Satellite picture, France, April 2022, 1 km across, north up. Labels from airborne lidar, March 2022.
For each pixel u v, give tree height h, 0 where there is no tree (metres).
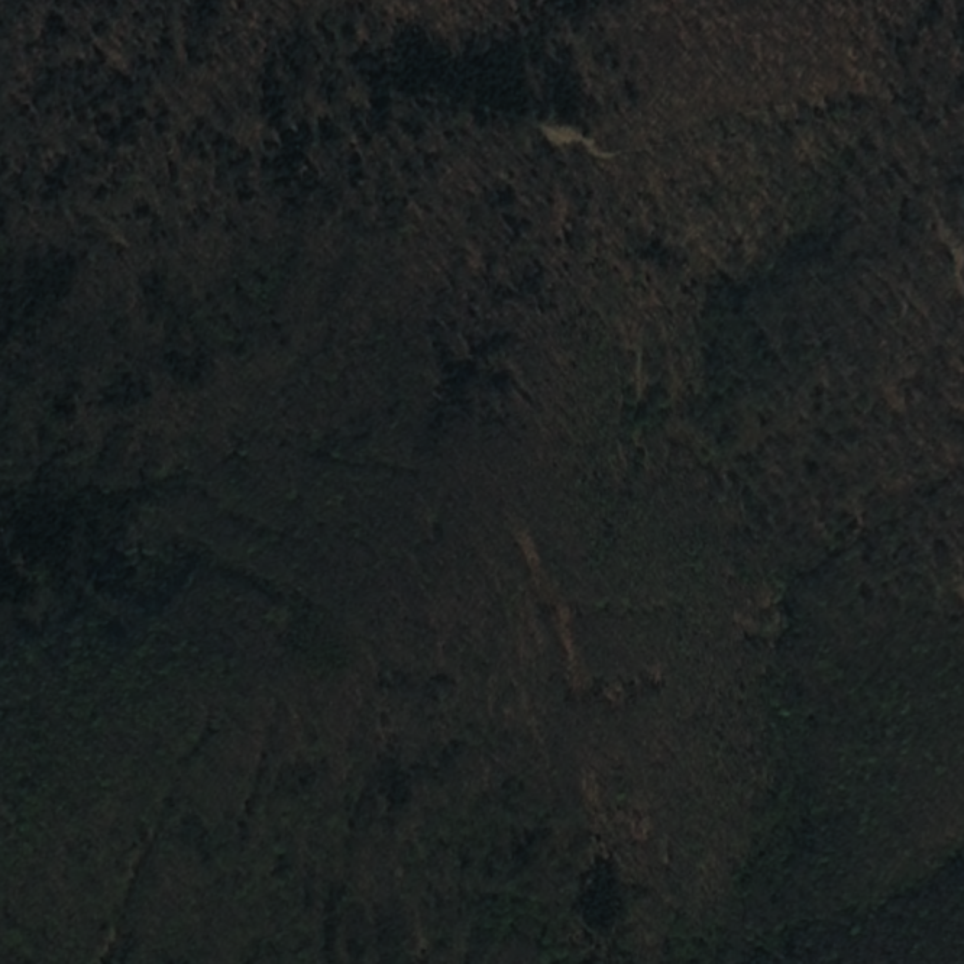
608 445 22
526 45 21
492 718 28
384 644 20
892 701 26
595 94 14
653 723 27
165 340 26
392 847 30
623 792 31
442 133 33
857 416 33
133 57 28
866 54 35
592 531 18
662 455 24
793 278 32
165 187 20
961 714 25
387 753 28
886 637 26
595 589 23
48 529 22
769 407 13
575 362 22
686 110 14
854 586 27
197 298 23
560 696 28
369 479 27
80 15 27
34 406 34
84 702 26
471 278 31
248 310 32
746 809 28
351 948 17
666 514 25
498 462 25
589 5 17
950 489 33
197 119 39
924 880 30
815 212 35
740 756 22
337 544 28
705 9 33
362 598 28
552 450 22
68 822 25
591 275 24
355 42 36
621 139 13
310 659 21
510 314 30
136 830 23
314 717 22
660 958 17
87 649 28
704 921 23
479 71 26
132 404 32
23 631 29
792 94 10
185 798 26
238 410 35
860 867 24
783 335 33
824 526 34
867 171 36
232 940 27
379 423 24
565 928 19
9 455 33
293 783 9
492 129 35
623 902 17
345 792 20
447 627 32
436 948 20
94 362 35
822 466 10
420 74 28
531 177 36
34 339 24
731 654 27
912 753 20
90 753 19
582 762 32
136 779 25
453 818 24
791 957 13
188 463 30
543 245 33
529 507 27
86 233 30
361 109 20
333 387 30
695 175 35
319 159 27
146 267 28
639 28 32
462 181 33
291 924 29
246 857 22
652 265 27
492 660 33
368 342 30
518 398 31
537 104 25
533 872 23
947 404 33
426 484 25
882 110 35
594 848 17
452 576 32
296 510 27
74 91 27
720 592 29
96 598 23
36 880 31
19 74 23
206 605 31
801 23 21
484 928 23
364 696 21
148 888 26
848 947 32
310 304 31
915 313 30
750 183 6
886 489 33
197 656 26
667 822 27
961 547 29
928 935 31
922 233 30
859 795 20
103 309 29
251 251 31
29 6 24
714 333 33
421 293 26
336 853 19
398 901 27
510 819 14
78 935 30
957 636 20
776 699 32
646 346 8
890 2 34
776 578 30
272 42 38
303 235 32
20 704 23
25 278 24
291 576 24
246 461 25
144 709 27
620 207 28
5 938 34
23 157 32
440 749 28
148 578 16
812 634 27
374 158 37
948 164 28
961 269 19
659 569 23
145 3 27
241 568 13
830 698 30
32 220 30
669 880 27
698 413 35
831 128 37
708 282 37
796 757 33
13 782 25
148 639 30
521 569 27
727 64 31
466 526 27
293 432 28
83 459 28
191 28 31
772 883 31
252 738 26
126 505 28
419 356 27
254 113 36
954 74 33
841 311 30
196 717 24
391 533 28
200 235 35
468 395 16
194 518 27
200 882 25
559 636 27
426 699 25
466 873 24
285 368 32
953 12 30
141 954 33
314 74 37
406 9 34
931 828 30
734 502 29
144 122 31
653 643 19
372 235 36
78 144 29
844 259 29
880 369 31
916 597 24
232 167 28
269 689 24
